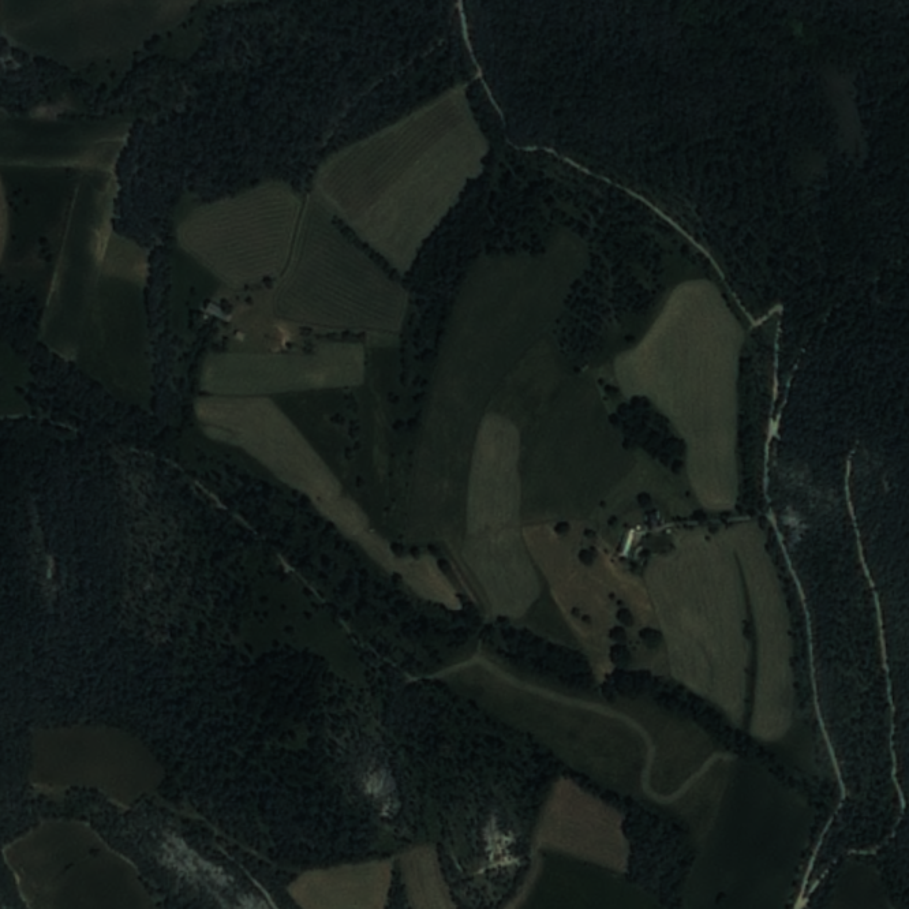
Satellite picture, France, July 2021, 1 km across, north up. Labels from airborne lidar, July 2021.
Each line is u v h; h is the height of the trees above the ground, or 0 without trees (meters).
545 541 0
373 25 23
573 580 0
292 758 12
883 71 23
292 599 0
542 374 0
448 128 0
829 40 19
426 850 0
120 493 17
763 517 9
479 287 0
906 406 6
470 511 0
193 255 0
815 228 16
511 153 11
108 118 9
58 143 0
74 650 16
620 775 0
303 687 16
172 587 19
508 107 7
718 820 0
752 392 9
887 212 16
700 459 0
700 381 0
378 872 0
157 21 0
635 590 0
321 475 0
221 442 0
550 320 0
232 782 15
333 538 21
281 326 0
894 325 13
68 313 0
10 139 0
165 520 20
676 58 20
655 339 0
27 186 0
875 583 6
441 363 0
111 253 0
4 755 17
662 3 23
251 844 5
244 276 0
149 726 20
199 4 5
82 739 0
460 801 15
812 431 10
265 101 22
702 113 20
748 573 0
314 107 23
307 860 12
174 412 16
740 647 0
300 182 14
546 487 0
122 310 0
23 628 16
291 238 0
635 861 16
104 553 19
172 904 11
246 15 12
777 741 0
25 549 15
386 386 0
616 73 21
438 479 0
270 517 19
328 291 0
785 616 0
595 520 0
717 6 23
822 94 12
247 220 0
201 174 21
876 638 8
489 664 0
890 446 9
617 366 0
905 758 7
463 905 9
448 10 15
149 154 16
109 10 0
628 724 0
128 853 9
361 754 7
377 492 0
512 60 11
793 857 0
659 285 8
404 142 0
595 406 0
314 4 16
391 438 0
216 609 9
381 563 0
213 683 14
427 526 0
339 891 0
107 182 0
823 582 8
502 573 0
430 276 11
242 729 9
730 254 18
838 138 10
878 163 17
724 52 26
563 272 0
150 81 17
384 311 0
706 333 0
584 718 0
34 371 17
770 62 24
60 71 15
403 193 0
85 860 0
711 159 15
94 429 21
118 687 20
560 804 0
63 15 0
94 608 13
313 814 26
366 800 6
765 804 0
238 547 23
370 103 17
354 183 0
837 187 18
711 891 0
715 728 21
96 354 0
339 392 0
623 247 10
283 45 8
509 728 12
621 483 0
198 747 19
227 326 6
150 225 17
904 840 11
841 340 16
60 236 0
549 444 0
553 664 21
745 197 16
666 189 17
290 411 0
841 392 15
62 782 0
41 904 0
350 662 0
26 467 16
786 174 19
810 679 7
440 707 20
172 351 12
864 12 19
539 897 0
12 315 20
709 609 0
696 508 0
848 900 0
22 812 11
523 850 9
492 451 0
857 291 20
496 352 0
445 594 0
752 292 15
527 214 18
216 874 0
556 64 15
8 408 0
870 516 7
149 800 8
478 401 0
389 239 0
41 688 18
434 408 0
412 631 24
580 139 21
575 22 16
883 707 10
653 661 0
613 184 7
